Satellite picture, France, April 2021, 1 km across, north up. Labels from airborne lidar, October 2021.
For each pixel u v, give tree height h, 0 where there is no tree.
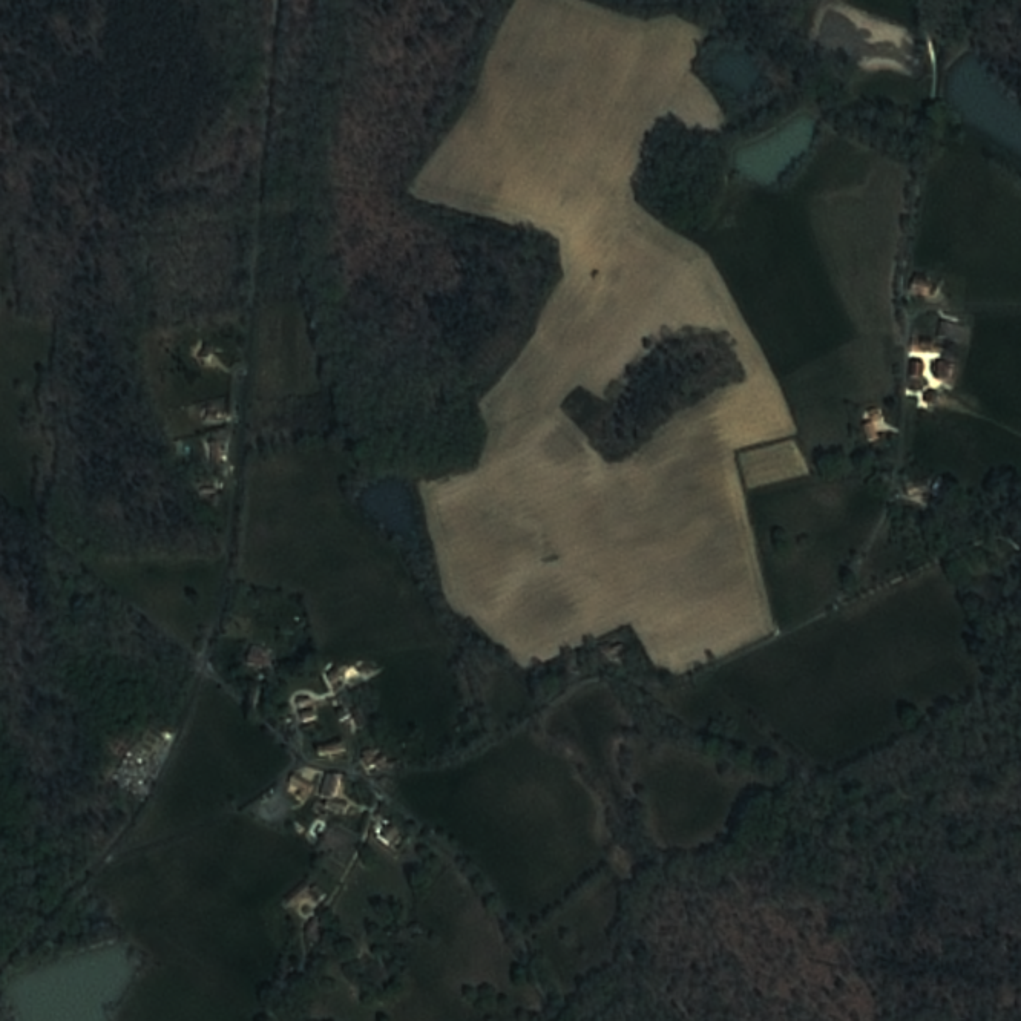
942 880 14
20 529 25
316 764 0
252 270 23
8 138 12
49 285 13
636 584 0
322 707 0
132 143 18
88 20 11
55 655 16
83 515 20
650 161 14
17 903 25
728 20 24
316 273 22
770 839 24
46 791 14
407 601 0
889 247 0
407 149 9
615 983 16
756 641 0
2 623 15
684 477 0
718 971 11
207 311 11
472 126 0
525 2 0
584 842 0
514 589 0
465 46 8
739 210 0
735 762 20
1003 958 6
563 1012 16
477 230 11
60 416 18
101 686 23
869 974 10
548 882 0
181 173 16
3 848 25
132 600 0
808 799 22
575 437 0
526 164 0
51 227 11
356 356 22
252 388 0
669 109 0
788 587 0
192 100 16
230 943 0
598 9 0
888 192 0
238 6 15
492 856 0
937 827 12
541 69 0
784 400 0
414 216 7
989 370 0
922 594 0
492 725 13
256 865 0
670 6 9
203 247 9
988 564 20
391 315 6
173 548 16
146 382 14
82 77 15
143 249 13
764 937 11
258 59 17
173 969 0
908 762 11
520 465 0
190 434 0
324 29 26
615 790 0
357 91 15
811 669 0
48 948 19
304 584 0
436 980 0
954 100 0
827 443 0
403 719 0
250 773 0
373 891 0
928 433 0
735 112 9
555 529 0
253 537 0
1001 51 7
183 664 15
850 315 0
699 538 0
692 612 0
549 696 22
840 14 0
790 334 0
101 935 14
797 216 0
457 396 20
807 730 0
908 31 0
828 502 0
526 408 0
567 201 0
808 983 6
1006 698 9
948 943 11
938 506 14
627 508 0
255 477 0
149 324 8
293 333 0
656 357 22
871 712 0
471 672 18
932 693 0
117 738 22
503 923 9
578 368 0
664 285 0
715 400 0
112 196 13
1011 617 20
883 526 0
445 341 12
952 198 0
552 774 0
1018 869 10
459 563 0
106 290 13
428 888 15
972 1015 14
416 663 0
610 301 0
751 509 0
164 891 0
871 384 0
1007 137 0
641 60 0
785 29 23
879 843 25
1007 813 8
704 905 7
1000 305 0
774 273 0
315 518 0
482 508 0
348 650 0
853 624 0
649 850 17
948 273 0
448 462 20
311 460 0
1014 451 0
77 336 14
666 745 17
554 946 0
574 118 0
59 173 13
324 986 12
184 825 0
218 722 0
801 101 16
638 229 0
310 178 19
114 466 10
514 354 8
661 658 0
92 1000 0
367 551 0
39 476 13
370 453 23
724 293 0
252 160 17
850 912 10
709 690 0
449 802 0
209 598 0
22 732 17
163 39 17
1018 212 0
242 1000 0
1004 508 15
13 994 0
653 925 16
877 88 0
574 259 0
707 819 0
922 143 19
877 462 12
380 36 10
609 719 0
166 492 15
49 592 17
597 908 0
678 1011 14
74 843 17
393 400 20
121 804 16
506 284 18
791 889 18
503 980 0
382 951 9
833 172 0
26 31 16
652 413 20
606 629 0
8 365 0
